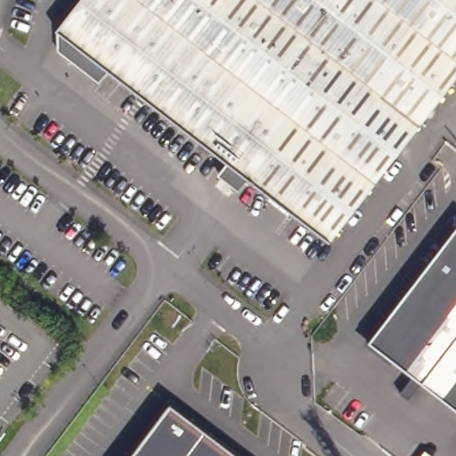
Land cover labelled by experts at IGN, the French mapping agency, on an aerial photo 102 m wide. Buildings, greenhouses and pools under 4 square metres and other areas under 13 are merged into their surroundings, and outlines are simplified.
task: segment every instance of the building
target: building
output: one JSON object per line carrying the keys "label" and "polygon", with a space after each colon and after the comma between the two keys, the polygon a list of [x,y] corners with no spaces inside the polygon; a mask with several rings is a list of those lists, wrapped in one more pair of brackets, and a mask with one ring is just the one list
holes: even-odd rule
{"label": "building", "polygon": [[192,424],[191,420],[185,419],[180,411],[166,408],[130,456],[235,456],[212,436],[207,435],[203,429]]}
{"label": "building", "polygon": [[376,346],[397,365],[410,369],[408,378],[415,381],[419,387],[435,390],[442,408],[456,419],[456,228],[445,239],[435,256],[427,262],[417,280],[411,283],[410,289],[404,292],[404,296],[392,308],[392,312],[388,313],[387,319],[381,322],[376,333],[369,338],[369,349]]}
{"label": "building", "polygon": [[102,85],[110,80],[112,84],[121,87],[130,96],[134,96],[134,103],[128,105],[134,114],[141,107],[148,107],[150,112],[159,114],[160,121],[166,121],[167,125],[180,135],[180,141],[175,144],[178,150],[185,142],[191,142],[194,148],[199,148],[203,142],[207,142],[212,150],[217,151],[219,157],[239,167],[240,171],[248,173],[256,183],[260,183],[264,189],[281,199],[283,203],[287,203],[296,214],[315,226],[328,242],[337,239],[347,224],[356,224],[354,210],[360,208],[374,189],[374,185],[381,180],[381,176],[387,175],[390,164],[406,150],[413,135],[420,132],[422,123],[433,116],[436,105],[444,102],[445,94],[454,93],[456,84],[456,0],[80,0],[55,32],[55,55],[69,69],[73,69],[89,84]]}

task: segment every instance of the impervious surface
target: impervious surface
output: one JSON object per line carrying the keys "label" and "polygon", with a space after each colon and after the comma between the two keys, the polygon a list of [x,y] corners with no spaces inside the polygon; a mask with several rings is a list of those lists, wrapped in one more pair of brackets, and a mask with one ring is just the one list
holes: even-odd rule
{"label": "impervious surface", "polygon": [[[84,353],[80,354],[78,362],[77,369],[66,374],[66,378],[45,395],[45,404],[37,410],[36,419],[21,427],[18,435],[14,436],[11,444],[0,454],[0,456],[46,456],[66,431],[66,427],[71,424],[71,420],[77,417],[78,411],[82,410],[87,399],[109,374],[105,367],[109,365],[110,358],[125,344],[126,338],[134,333],[135,328],[141,326],[142,319],[148,315],[159,296],[166,294],[178,294],[191,303],[194,308],[191,322],[183,328],[176,340],[164,342],[160,340],[159,335],[150,335],[130,363],[130,367],[123,369],[114,387],[110,388],[109,395],[103,397],[102,403],[98,404],[98,408],[62,456],[130,456],[166,408],[180,411],[185,419],[191,420],[192,424],[203,429],[207,435],[212,436],[235,456],[456,456],[456,419],[442,408],[435,390],[419,387],[415,381],[408,378],[410,369],[397,365],[376,346],[369,349],[369,338],[376,333],[381,322],[387,319],[388,313],[392,312],[392,308],[404,296],[404,292],[410,289],[411,283],[417,280],[427,262],[435,256],[445,239],[456,228],[456,84],[454,93],[445,94],[444,102],[436,105],[433,116],[422,123],[420,132],[413,135],[406,150],[390,164],[387,175],[381,176],[381,180],[374,185],[374,189],[360,208],[354,210],[356,224],[347,224],[337,239],[328,242],[315,226],[296,214],[287,203],[283,203],[281,199],[264,189],[260,183],[256,183],[248,173],[240,171],[239,167],[219,157],[217,151],[212,150],[207,142],[203,142],[199,148],[194,148],[191,142],[185,142],[178,150],[175,144],[180,141],[180,135],[167,125],[166,121],[160,121],[159,114],[150,112],[148,107],[141,107],[134,114],[128,105],[134,103],[134,96],[130,96],[121,87],[112,84],[110,80],[102,85],[89,84],[73,69],[69,69],[55,55],[55,32],[80,0],[0,0],[0,69],[4,69],[9,77],[20,84],[20,89],[12,96],[11,102],[7,105],[0,103],[0,260],[7,260],[14,269],[23,269],[27,273],[34,273],[39,283],[45,285],[48,296],[61,301],[64,308],[77,310],[78,315],[89,317],[89,324],[98,319],[100,310],[109,310],[109,319],[94,331],[93,337],[87,338],[82,342]],[[105,246],[109,237],[112,242],[123,242],[128,253],[134,256],[137,276],[130,287],[123,287],[118,283],[125,264],[121,264],[118,251]],[[333,338],[328,342],[313,342],[312,337],[305,337],[310,324],[322,319],[326,313],[328,317],[333,317],[337,321],[337,331]],[[240,347],[235,370],[239,383],[228,390],[223,381],[219,381],[207,370],[205,374],[201,374],[199,388],[194,388],[192,378],[196,365],[207,356],[208,349],[216,344],[221,335],[232,338]],[[249,404],[253,410],[258,411],[256,433],[251,433],[246,427],[246,422],[240,419],[244,404]]]}
{"label": "impervious surface", "polygon": [[12,420],[16,420],[21,411],[30,408],[30,397],[41,394],[39,385],[45,383],[50,370],[57,372],[62,360],[64,351],[53,338],[46,335],[45,330],[41,330],[32,319],[18,317],[11,306],[5,305],[0,299],[0,442],[4,440],[5,427],[11,424]]}

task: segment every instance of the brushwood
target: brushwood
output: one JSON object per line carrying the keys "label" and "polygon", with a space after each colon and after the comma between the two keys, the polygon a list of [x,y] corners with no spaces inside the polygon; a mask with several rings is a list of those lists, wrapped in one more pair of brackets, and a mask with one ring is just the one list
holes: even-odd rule
{"label": "brushwood", "polygon": [[45,330],[46,335],[53,338],[64,351],[62,360],[66,363],[71,360],[78,362],[80,354],[84,353],[82,342],[87,338],[78,328],[75,331],[68,331],[61,317],[53,317],[48,308],[28,301],[21,290],[12,290],[18,276],[23,278],[23,274],[27,273],[23,269],[14,269],[7,260],[0,260],[0,299],[5,305],[11,306],[18,317],[32,319],[41,330]]}
{"label": "brushwood", "polygon": [[333,338],[337,331],[337,321],[333,317],[328,317],[326,313],[322,319],[310,324],[305,337],[312,337],[313,342],[328,342]]}

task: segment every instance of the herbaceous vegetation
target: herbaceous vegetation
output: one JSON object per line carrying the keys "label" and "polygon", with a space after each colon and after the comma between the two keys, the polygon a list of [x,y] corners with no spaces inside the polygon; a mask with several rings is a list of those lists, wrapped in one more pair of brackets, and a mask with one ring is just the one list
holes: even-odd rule
{"label": "herbaceous vegetation", "polygon": [[118,283],[123,287],[130,287],[137,276],[134,256],[128,253],[123,242],[112,242],[109,237],[105,246],[118,251],[121,264],[125,264]]}
{"label": "herbaceous vegetation", "polygon": [[9,77],[4,69],[0,69],[0,103],[7,105],[11,102],[12,96],[20,89],[20,84]]}
{"label": "herbaceous vegetation", "polygon": [[89,317],[78,315],[77,310],[64,308],[61,301],[48,296],[45,285],[39,283],[34,273],[27,273],[23,274],[23,278],[18,276],[12,290],[21,290],[28,301],[48,308],[53,317],[61,317],[68,331],[75,331],[78,328],[87,338],[93,337],[94,331],[109,319],[109,310],[100,310],[98,319],[89,324]]}
{"label": "herbaceous vegetation", "polygon": [[71,360],[66,363],[62,360],[57,372],[50,370],[45,383],[39,385],[41,394],[30,397],[30,408],[21,411],[16,420],[12,420],[11,424],[5,427],[4,440],[0,442],[0,454],[11,444],[14,436],[18,435],[21,427],[36,419],[37,410],[45,404],[45,395],[66,378],[66,374],[77,369],[78,362]]}
{"label": "herbaceous vegetation", "polygon": [[164,342],[176,340],[183,328],[191,322],[194,308],[191,303],[178,294],[166,294],[159,296],[148,315],[142,319],[141,326],[135,328],[134,333],[126,338],[125,344],[110,358],[109,365],[105,367],[109,374],[87,399],[82,410],[78,411],[77,417],[71,420],[71,424],[66,427],[66,431],[46,456],[62,456],[98,408],[98,404],[102,403],[103,397],[109,395],[110,388],[114,387],[123,369],[130,367],[130,363],[150,335],[159,335],[160,340]]}
{"label": "herbaceous vegetation", "polygon": [[251,433],[256,433],[258,411],[253,410],[249,404],[244,404],[240,419],[246,422],[246,427]]}
{"label": "herbaceous vegetation", "polygon": [[240,347],[232,338],[221,335],[216,344],[208,349],[207,356],[196,365],[192,378],[194,388],[199,388],[201,374],[205,374],[207,370],[219,381],[223,381],[228,390],[239,383],[235,370]]}

